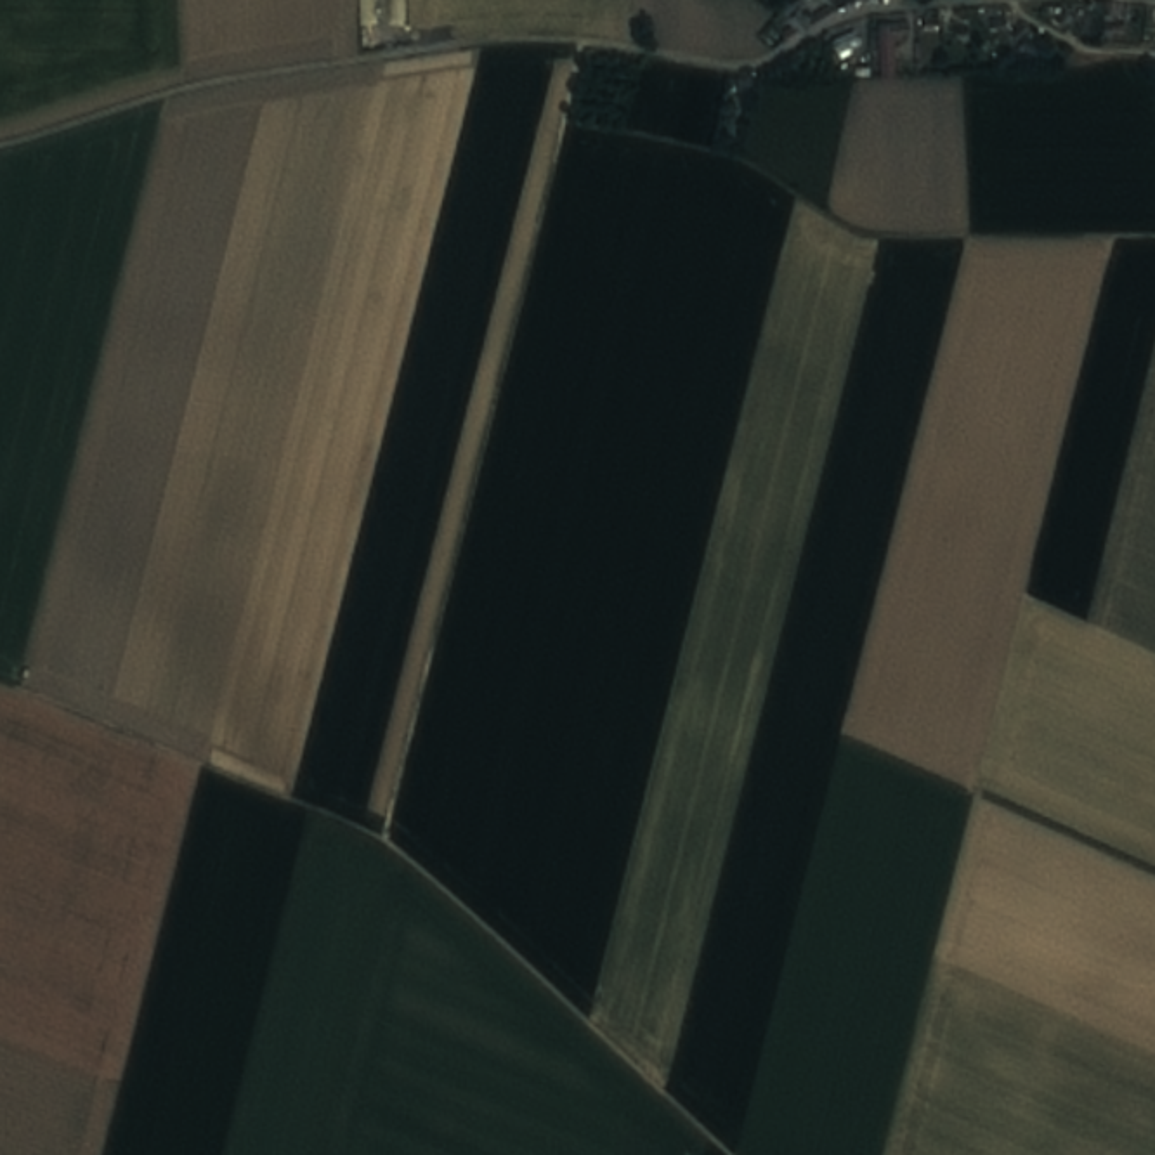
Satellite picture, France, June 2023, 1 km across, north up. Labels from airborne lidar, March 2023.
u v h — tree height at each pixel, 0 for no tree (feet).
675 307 0
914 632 0
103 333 0
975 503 0
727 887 0
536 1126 0
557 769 0
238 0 0
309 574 0
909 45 0
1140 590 0
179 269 0
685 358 0
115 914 0
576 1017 0
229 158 0
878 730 0
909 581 0
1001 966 0
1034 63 54
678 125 0
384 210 0
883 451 0
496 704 0
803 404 0
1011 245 0
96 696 0
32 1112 0
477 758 0
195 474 0
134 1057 0
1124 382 0
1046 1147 0
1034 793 0
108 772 0
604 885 0
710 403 0
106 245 0
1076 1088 0
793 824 0
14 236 0
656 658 0
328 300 0
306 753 0
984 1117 0
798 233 0
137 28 0
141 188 0
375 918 0
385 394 0
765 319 0
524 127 0
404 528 0
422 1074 0
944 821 0
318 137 0
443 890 0
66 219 0
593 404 0
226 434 0
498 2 0
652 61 0
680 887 0
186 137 0
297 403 0
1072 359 0
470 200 0
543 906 0
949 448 0
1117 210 0
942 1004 0
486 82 0
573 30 0
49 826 0
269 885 0
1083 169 0
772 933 0
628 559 0
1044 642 0
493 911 0
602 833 0
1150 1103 0
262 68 0
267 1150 0
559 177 0
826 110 0
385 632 0
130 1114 0
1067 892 0
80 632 0
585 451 0
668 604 0
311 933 0
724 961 0
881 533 0
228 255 0
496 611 0
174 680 0
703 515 0
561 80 0
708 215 0
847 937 0
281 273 0
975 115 0
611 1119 0
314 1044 0
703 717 0
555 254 0
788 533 0
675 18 0
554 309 0
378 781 0
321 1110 0
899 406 0
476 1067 0
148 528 0
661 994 0
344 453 0
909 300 0
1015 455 0
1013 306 0
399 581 0
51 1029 0
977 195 0
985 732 0
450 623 0
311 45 0
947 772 0
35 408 0
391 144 0
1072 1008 0
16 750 0
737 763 0
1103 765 0
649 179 0
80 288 0
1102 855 0
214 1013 0
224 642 0
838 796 0
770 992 0
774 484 0
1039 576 0
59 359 0
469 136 0
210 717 0
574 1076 0
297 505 0
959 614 0
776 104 0
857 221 0
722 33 0
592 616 0
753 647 0
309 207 0
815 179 0
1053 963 0
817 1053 0
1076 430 0
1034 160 0
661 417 0
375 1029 0
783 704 0
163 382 0
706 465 0
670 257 0
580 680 0
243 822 0
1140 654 0
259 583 0
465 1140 0
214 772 0
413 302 0
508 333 0
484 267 0
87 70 0
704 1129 0
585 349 0
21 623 0
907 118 0
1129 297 0
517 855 0
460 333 0
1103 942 0
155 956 0
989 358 0
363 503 0
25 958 0
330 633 0
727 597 0
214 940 0
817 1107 0
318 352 0
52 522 0
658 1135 0
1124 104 0
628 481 0
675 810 0
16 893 0
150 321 0
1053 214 0
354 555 0
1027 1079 0
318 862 0
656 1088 0
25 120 0
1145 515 0
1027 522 0
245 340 0
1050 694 0
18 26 0
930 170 0
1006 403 0
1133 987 0
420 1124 0
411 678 0
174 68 0
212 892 0
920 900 0
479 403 0
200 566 0
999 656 0
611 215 0
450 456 0
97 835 0
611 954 0
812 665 0
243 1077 0
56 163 0
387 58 0
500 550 0
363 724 0
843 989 0
